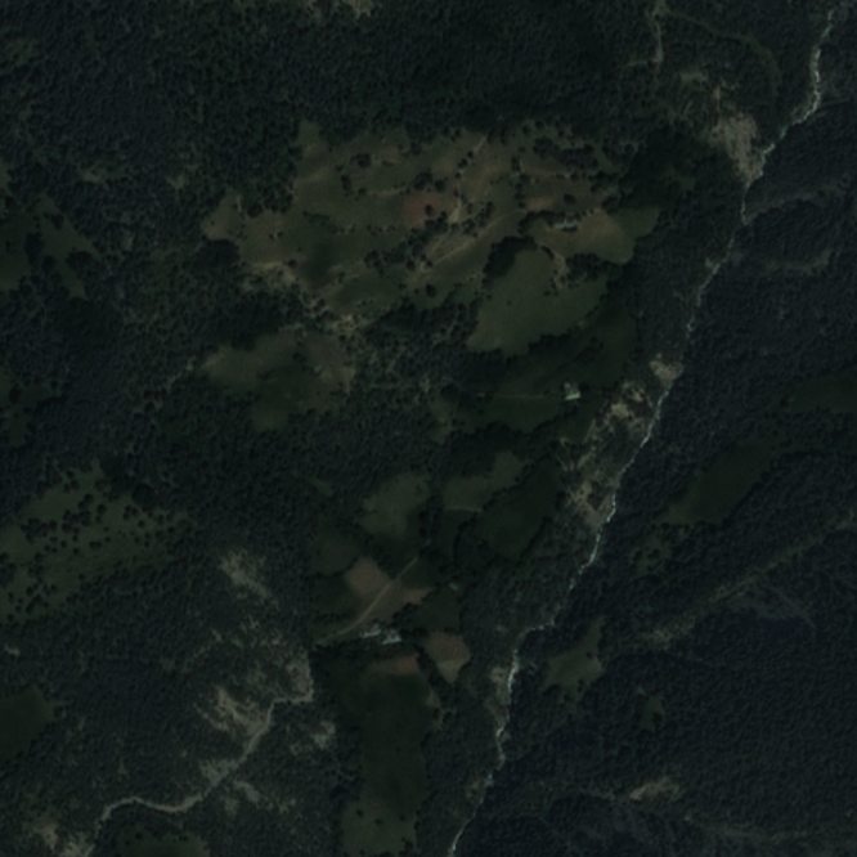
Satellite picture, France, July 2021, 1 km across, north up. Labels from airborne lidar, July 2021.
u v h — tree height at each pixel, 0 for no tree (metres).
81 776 12
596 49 22
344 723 10
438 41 17
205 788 6
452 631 10
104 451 12
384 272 6
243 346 16
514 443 24
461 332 7
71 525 12
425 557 12
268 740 7
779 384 23
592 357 17
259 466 15
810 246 11
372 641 9
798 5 12
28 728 0
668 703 10
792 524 7
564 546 13
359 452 11
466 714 12
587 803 14
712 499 0
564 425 14
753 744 10
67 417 11
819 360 14
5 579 12
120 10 9
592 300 0
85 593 10
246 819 8
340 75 13
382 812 0
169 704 12
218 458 13
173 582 12
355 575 0
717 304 10
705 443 13
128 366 12
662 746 12
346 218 0
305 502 18
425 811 7
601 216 0
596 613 8
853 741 16
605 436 8
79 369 14
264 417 0
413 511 0
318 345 0
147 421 16
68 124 14
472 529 9
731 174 6
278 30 16
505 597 12
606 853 10
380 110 6
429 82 22
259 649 7
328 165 0
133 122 11
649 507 9
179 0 14
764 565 10
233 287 11
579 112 17
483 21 16
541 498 0
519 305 0
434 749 15
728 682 16
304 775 8
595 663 0
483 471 10
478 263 0
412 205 0
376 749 0
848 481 22
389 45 14
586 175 7
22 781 7
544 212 9
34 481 15
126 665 13
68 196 17
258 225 0
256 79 15
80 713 10
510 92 16
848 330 17
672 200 13
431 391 7
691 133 15
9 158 16
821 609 8
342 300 0
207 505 10
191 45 10
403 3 10
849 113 15
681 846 11
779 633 20
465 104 13
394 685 0
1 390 0
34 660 16
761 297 12
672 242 16
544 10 18
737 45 17
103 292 17
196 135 13
